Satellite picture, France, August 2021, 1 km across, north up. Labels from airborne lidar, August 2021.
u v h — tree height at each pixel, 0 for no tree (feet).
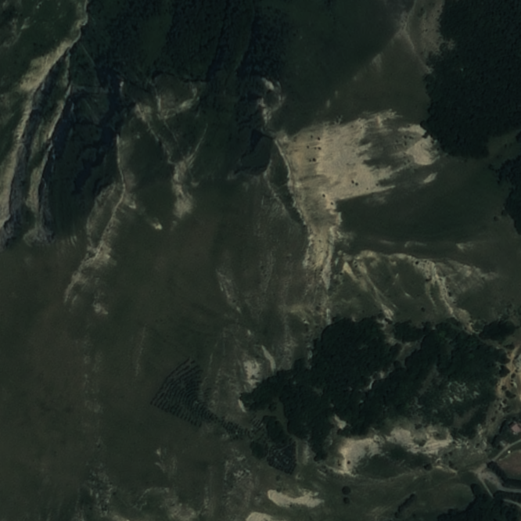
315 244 0
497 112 60
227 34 68
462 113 47
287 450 20
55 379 0
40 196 0
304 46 0
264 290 0
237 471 0
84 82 0
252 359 0
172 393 19
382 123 0
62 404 0
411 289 0
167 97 0
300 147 0
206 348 0
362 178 0
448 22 39
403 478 0
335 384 46
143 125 0
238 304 0
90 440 0
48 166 0
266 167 0
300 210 0
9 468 0
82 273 0
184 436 0
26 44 0
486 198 0
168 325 0
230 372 0
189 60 45
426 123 36
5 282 0
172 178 0
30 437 0
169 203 0
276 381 44
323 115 0
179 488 0
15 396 0
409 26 0
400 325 31
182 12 43
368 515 0
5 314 0
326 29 0
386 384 45
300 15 0
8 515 0
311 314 0
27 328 0
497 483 0
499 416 0
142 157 0
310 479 0
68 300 0
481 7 40
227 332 0
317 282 0
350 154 0
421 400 21
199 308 0
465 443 0
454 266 0
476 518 63
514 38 57
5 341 0
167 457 0
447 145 48
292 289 0
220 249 0
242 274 0
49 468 0
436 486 0
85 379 0
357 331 54
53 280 0
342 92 0
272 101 0
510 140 0
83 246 0
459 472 0
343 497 0
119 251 0
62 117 0
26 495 0
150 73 29
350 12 0
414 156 0
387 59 0
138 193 0
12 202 0
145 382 0
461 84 41
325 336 52
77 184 0
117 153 0
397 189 0
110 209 0
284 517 0
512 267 0
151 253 0
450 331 25
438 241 0
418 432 0
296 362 24
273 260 0
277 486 0
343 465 0
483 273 0
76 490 0
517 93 52
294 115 0
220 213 0
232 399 0
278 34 24
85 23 0
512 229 0
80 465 0
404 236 0
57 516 0
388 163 0
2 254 0
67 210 0
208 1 73
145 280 0
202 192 0
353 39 0
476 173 0
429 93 20
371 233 0
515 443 0
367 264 0
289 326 0
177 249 0
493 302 0
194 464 0
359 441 0
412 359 44
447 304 0
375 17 0
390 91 0
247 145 0
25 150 0
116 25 24
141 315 0
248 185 0
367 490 0
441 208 0
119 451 0
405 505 31
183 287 0
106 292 0
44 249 0
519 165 55
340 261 0
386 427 0
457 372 30
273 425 53
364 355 33
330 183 0
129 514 0
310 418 37
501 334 58
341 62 0
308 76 0
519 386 0
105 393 0
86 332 0
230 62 39
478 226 0
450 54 31
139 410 0
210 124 0
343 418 53
